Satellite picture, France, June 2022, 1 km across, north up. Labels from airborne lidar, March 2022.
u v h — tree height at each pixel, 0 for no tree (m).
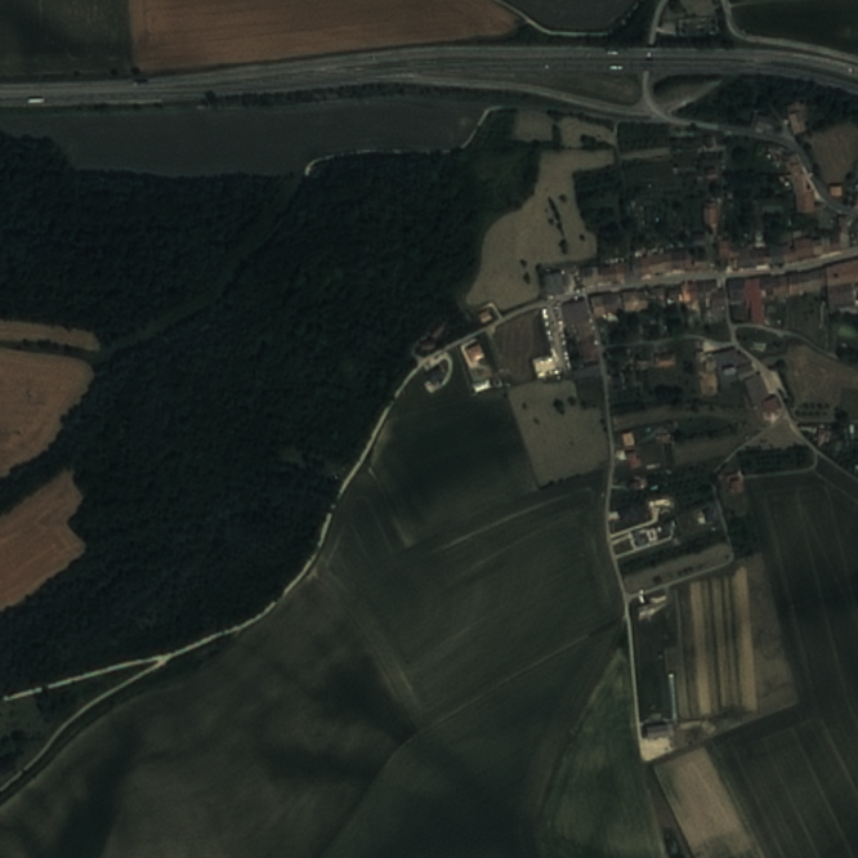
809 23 0
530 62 0
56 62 0
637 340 0
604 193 6
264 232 0
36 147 15
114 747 0
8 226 7
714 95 0
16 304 11
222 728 0
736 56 0
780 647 0
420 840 0
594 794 0
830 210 0
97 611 18
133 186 21
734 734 0
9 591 0
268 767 0
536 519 0
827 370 0
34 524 0
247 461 7
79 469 9
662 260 0
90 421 19
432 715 0
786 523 0
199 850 0
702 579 0
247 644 0
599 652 0
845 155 0
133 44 0
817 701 0
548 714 0
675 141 7
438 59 0
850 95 9
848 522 0
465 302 0
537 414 0
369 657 0
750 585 0
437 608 0
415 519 0
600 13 0
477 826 0
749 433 0
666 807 0
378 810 0
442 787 0
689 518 0
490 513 0
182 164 0
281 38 0
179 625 7
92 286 6
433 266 22
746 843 0
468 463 0
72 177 19
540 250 0
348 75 0
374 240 13
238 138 0
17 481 15
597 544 0
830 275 0
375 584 0
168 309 17
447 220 13
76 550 0
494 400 0
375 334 20
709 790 0
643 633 0
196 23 0
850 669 0
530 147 7
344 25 0
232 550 14
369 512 0
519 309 0
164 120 0
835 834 0
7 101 0
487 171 0
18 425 0
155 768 0
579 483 0
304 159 0
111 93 0
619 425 0
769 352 0
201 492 7
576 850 0
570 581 0
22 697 0
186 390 20
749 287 0
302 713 0
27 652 16
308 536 11
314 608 0
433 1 0
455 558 0
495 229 0
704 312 0
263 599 7
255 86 0
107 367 7
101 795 0
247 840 0
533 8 0
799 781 0
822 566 0
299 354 19
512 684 0
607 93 0
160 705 0
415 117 0
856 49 0
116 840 0
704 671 0
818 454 0
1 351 0
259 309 9
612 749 0
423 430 0
